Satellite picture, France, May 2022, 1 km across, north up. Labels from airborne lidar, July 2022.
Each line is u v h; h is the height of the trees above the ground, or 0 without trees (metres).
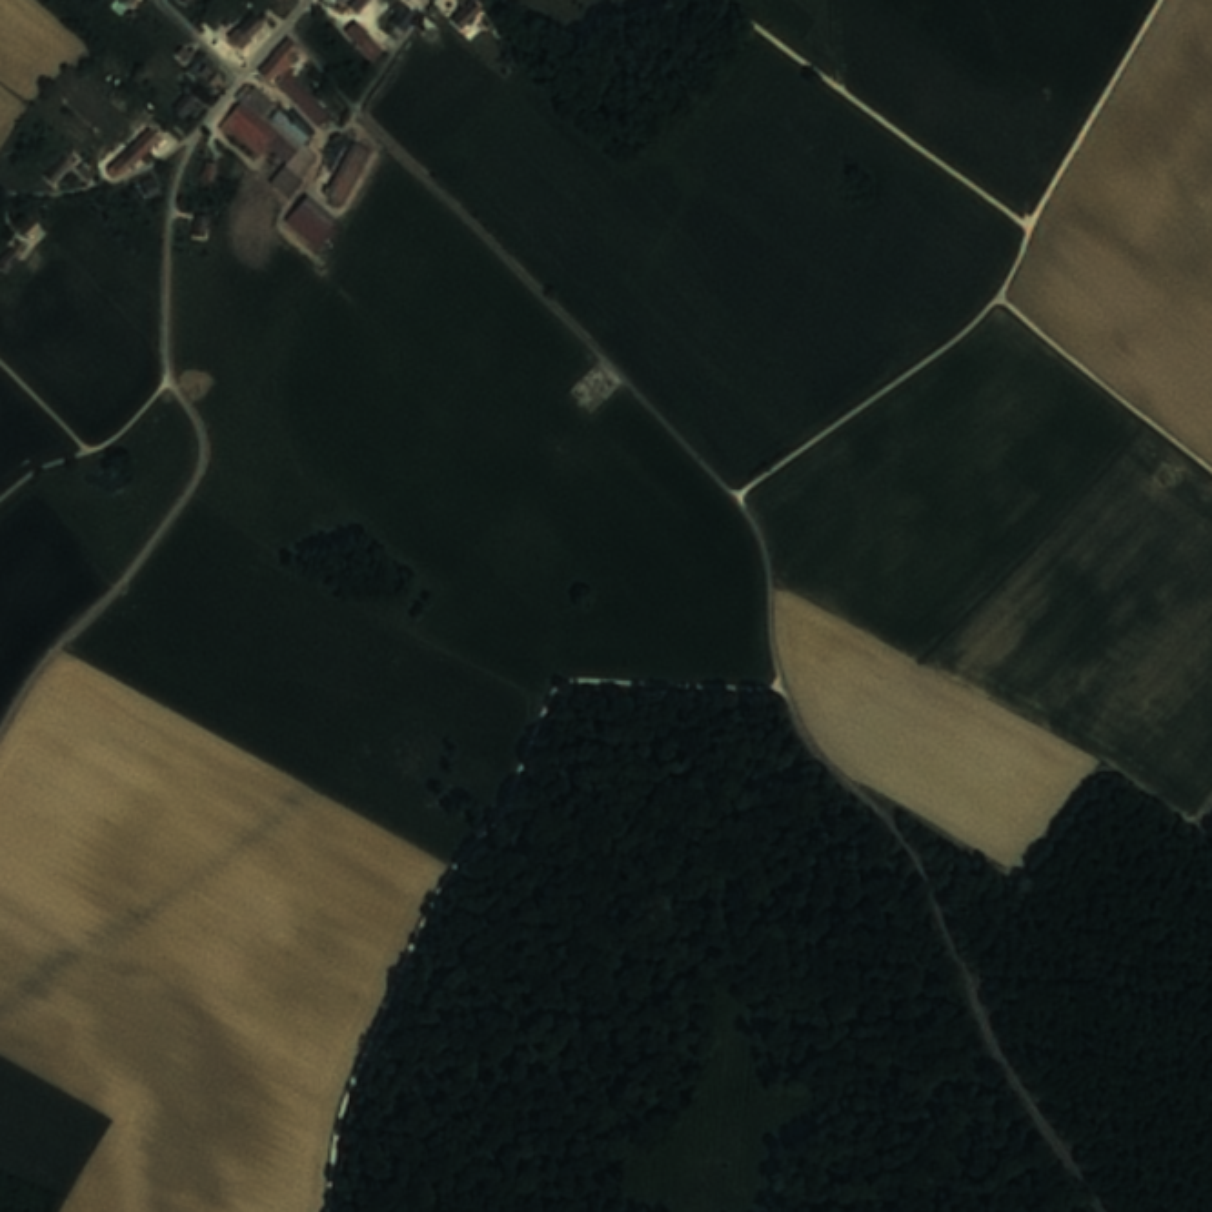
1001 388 0
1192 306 0
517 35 20
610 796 29
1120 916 25
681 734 26
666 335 0
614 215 0
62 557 0
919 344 0
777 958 31
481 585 0
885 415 0
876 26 0
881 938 28
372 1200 28
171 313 0
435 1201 17
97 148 0
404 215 0
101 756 0
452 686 0
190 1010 0
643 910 26
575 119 22
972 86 0
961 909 28
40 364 0
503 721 0
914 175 0
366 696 0
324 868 0
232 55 0
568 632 0
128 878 0
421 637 0
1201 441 0
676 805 27
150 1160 0
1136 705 0
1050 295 0
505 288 0
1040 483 0
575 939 31
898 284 0
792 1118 0
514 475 0
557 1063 27
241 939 0
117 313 0
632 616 0
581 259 0
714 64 24
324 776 0
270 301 0
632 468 0
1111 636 0
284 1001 0
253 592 0
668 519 0
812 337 0
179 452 0
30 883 0
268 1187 0
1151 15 0
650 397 0
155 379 0
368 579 24
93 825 0
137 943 0
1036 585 0
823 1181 26
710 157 0
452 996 26
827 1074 29
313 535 0
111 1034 0
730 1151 0
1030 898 23
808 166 0
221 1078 0
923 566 0
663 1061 29
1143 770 0
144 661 0
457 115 0
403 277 0
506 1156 28
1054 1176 25
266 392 0
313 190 0
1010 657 0
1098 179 0
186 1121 0
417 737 0
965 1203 28
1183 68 0
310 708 0
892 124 0
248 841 0
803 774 23
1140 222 0
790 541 0
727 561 0
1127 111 0
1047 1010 25
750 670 0
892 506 0
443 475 0
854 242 0
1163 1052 27
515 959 27
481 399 0
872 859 28
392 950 0
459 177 0
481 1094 23
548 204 0
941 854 23
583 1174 24
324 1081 0
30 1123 0
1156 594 0
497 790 0
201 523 0
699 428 0
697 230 0
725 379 0
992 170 0
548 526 0
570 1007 15
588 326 0
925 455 0
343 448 0
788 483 0
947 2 0
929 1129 26
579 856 27
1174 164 0
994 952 20
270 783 0
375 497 0
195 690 0
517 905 26
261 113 0
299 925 0
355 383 0
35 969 0
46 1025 0
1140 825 25
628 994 29
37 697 0
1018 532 0
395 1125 27
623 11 13
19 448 0
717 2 26
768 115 0
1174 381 0
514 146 0
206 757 0
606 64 34
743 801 27
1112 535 0
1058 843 12
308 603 0
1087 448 0
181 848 0
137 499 0
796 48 0
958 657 0
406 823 0
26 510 0
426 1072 26
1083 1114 20
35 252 0
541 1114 26
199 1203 0
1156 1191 24
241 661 0
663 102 29
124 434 0
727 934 22
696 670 0
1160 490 0
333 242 0
